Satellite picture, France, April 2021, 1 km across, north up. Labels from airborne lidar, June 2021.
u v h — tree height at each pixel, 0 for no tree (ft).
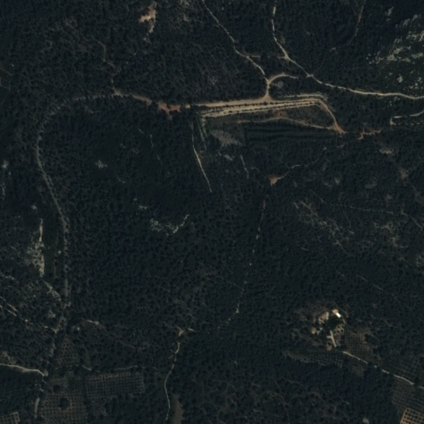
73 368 21
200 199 37
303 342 42
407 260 37
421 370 23
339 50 20
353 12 30
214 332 37
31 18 37
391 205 23
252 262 30
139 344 26
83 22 40
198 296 52
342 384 43
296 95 21
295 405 44
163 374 38
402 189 46
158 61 43
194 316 34
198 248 55
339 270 27
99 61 59
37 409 0
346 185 36
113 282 42
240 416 36
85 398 20
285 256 50
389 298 30
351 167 27
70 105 35
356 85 22
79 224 55
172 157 45
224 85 39
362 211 20
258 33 46
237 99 35
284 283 0
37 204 23
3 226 31
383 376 21
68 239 44
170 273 47
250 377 36
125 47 48
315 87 22
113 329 39
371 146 40
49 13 51
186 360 47
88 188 56
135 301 53
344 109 52
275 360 37
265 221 21
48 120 38
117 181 19
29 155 61
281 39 26
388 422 42
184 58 48
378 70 41
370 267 38
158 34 32
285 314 38
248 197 37
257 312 41
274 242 47
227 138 0
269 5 44
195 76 38
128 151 30
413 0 24
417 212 34
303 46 38
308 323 38
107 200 49
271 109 21
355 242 21
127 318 35
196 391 32
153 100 59
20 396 35
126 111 45
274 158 19
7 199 30
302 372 45
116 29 51
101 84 68
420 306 24
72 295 23
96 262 43
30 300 34
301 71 33
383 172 24
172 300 51
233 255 44
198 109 40
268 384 45
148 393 44
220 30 40
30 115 48
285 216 40
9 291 39
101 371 40
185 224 36
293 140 23
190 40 35
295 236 37
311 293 45
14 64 44
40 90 49
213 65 35
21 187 49
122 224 51
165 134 22
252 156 31
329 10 23
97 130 37
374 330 39
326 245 33
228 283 36
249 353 42
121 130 31
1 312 57
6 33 34
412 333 34
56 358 40
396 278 39
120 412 51
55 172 55
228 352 27
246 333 37
